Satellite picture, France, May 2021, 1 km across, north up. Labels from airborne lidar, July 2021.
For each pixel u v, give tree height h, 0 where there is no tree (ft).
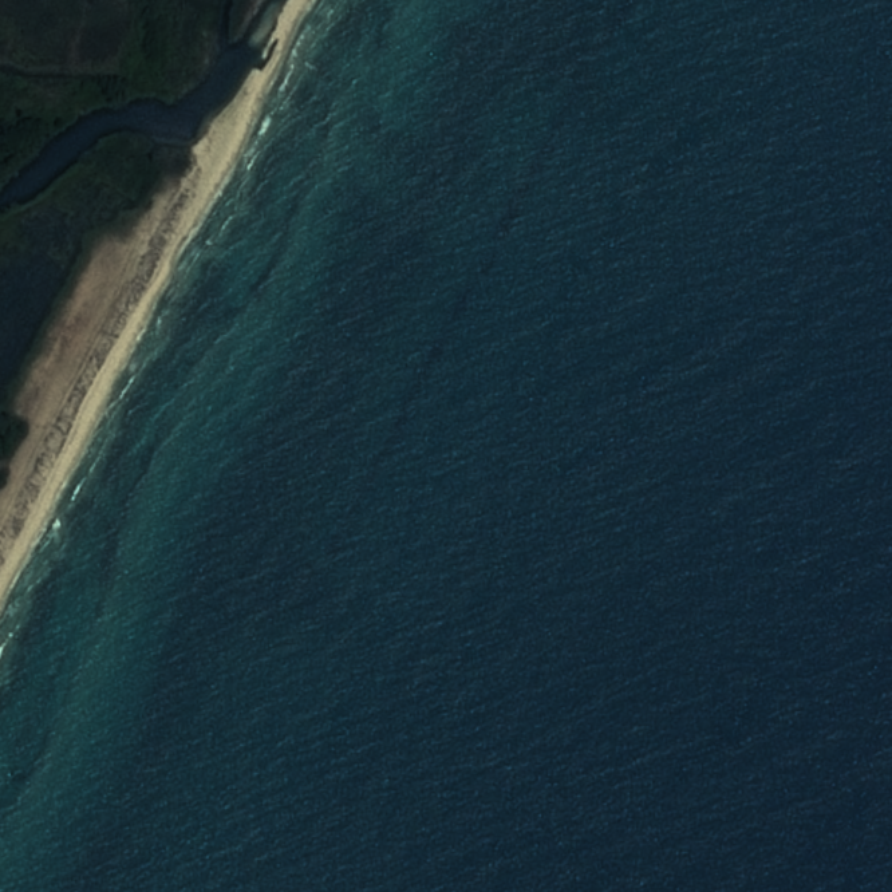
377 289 0
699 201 0
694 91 0
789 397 0
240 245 0
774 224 0
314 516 0
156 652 0
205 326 0
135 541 0
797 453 0
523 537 0
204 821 0
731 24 0
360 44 0
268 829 0
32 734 0
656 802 0
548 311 0
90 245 0
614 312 0
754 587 0
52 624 0
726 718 0
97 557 0
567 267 0
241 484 0
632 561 0
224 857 0
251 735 0
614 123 0
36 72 0
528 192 0
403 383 0
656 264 0
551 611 0
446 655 0
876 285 0
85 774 0
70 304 0
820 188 0
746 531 0
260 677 0
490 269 0
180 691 0
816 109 0
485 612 0
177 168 0
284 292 0
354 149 0
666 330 0
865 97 0
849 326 0
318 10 0
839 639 0
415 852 0
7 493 0
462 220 0
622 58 0
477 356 0
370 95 0
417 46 0
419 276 0
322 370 0
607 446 0
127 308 0
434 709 0
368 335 0
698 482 0
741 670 0
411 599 0
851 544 0
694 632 0
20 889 0
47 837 0
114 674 0
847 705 0
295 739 0
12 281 0
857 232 0
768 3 0
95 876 0
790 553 0
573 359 0
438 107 0
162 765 0
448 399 0
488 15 0
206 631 0
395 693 0
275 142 0
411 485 0
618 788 0
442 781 0
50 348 0
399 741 0
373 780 0
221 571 0
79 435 0
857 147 0
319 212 0
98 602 0
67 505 0
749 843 0
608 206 0
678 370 0
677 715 0
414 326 0
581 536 0
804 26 0
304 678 0
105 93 30
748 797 0
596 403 0
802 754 0
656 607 0
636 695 0
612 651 0
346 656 0
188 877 0
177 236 0
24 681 0
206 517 0
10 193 0
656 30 0
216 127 0
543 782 0
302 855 0
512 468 0
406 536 0
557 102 0
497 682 0
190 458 0
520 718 0
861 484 0
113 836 0
